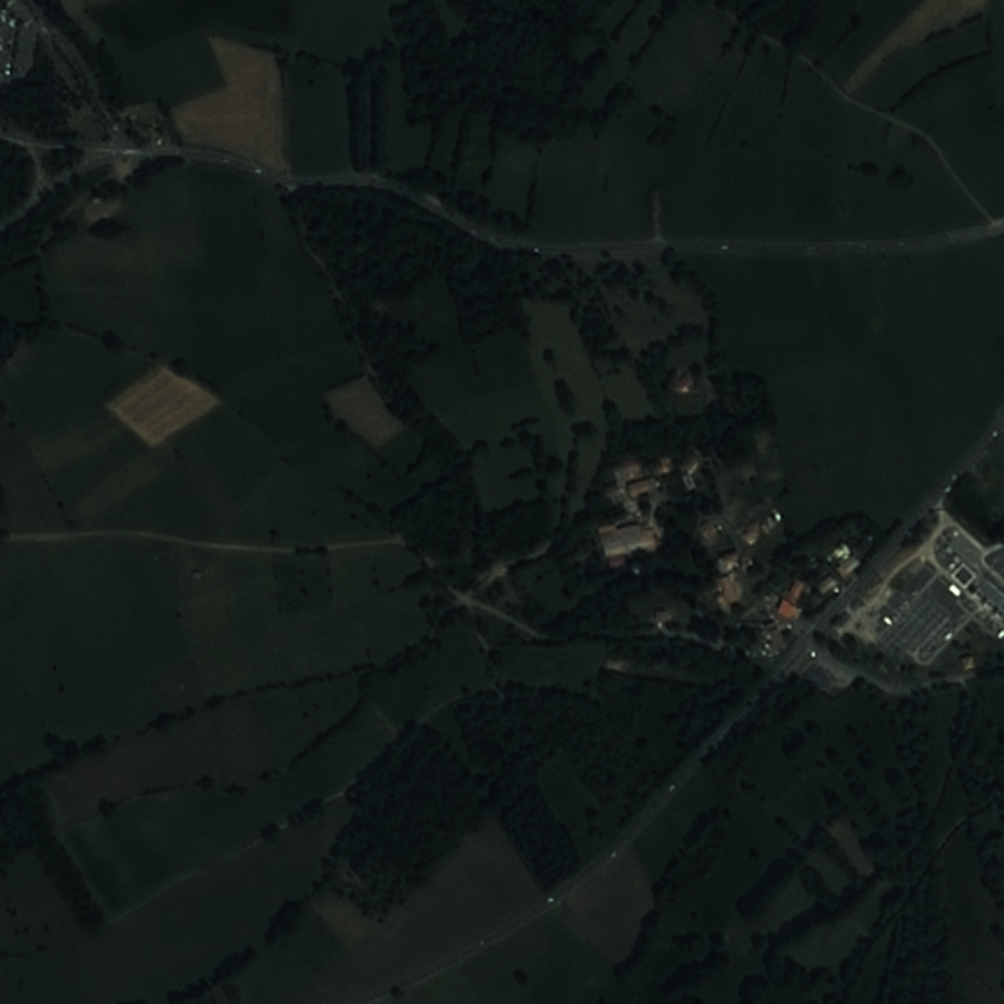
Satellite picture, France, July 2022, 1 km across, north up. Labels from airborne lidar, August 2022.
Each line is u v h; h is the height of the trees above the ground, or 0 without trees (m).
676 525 13
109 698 0
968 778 14
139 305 0
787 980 23
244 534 0
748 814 0
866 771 17
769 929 0
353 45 0
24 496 0
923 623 0
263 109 0
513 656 0
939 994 17
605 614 22
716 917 0
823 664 0
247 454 0
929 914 14
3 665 0
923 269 0
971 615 0
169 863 0
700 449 10
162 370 0
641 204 0
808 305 0
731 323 0
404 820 10
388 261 14
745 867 0
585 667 0
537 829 23
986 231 0
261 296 0
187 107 0
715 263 0
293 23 0
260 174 0
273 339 0
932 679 7
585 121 11
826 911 20
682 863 8
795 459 0
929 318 0
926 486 0
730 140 0
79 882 13
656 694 9
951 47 0
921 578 0
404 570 0
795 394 0
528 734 15
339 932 0
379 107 22
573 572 14
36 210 7
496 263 16
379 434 0
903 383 0
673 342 11
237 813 0
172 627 0
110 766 0
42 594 0
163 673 0
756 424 16
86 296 0
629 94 11
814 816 0
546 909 0
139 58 0
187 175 0
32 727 0
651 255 0
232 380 0
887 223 0
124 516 0
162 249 0
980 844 10
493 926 0
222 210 0
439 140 8
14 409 0
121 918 0
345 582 0
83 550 0
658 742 0
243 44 0
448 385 0
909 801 17
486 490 0
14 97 16
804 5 16
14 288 0
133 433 0
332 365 0
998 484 0
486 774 12
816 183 0
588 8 18
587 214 0
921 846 18
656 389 14
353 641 0
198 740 0
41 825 15
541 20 23
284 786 0
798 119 0
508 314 13
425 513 10
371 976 0
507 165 0
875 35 0
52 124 7
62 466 0
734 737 17
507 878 0
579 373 0
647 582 20
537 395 0
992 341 0
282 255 0
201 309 0
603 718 17
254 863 0
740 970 0
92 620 0
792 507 0
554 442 0
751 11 16
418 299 0
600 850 0
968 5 0
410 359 13
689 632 9
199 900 0
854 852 0
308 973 0
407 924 0
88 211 0
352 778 0
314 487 0
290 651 0
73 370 0
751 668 7
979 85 0
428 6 13
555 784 0
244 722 0
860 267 0
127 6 0
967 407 0
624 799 14
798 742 23
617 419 14
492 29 21
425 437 7
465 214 20
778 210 0
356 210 13
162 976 0
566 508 10
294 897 0
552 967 0
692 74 0
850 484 0
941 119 0
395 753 16
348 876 8
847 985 19
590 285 18
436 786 19
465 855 0
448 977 0
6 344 20
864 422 0
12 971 0
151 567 0
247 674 0
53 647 0
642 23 0
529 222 7
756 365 0
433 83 15
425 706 0
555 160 0
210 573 0
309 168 0
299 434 0
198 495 0
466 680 0
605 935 0
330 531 0
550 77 27
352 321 7
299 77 0
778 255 0
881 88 0
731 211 0
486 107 18
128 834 0
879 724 0
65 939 0
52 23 14
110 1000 0
